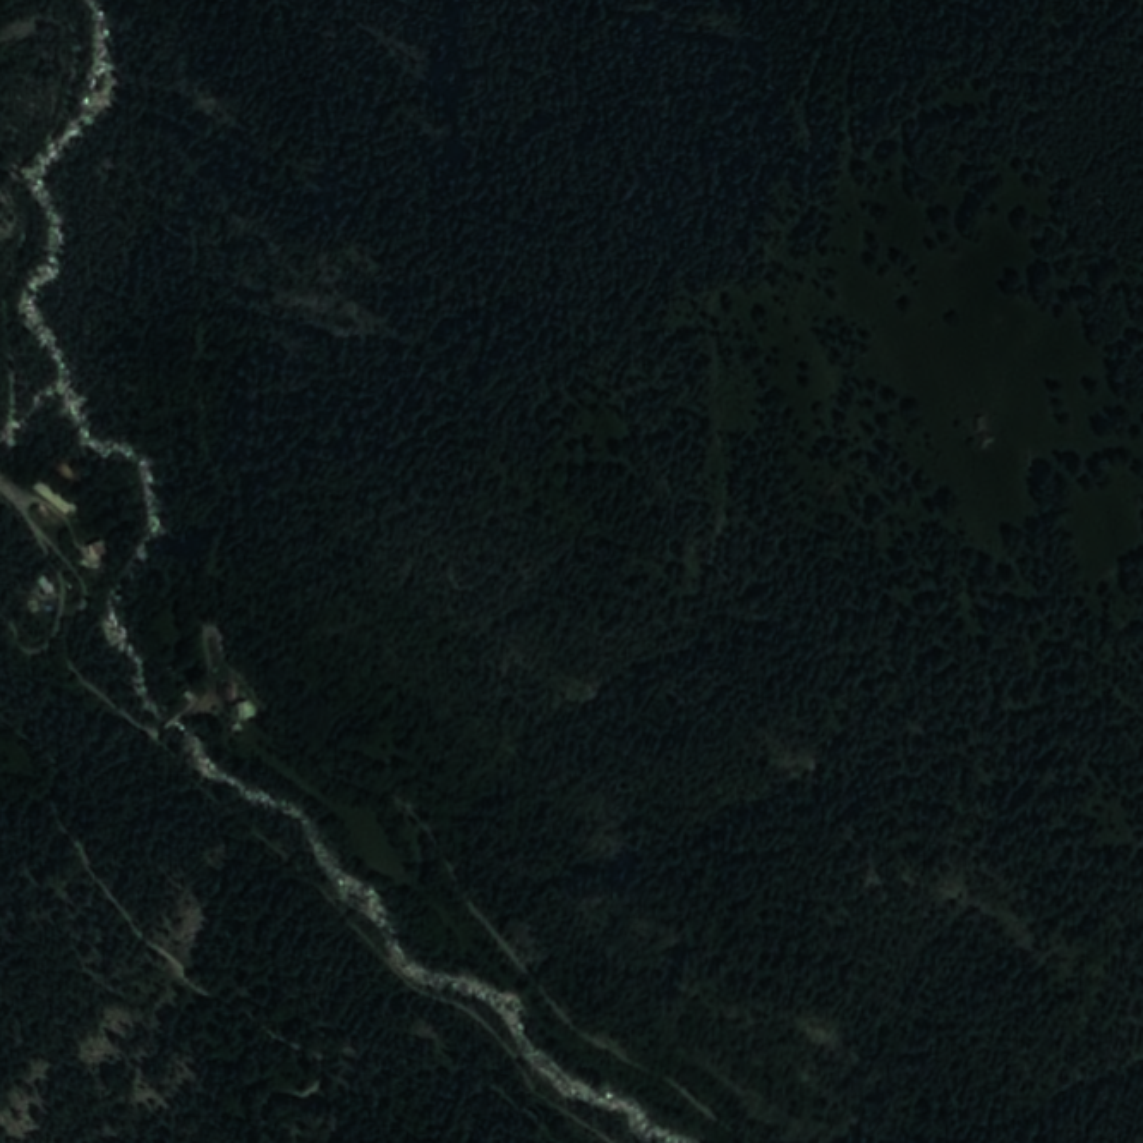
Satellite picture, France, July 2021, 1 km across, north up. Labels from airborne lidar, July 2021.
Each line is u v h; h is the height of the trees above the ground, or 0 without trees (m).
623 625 13
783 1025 9
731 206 28
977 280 0
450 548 13
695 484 13
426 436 19
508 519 14
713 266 26
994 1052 12
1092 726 26
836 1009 12
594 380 16
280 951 28
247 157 22
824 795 26
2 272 12
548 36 28
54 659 13
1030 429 0
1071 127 23
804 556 13
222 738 6
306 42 24
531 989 12
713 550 9
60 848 20
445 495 17
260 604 12
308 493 7
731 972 6
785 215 25
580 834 13
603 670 8
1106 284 24
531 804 10
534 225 18
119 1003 18
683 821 11
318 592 7
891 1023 8
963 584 8
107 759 29
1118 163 24
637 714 15
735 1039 11
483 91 26
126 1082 19
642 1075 10
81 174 16
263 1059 13
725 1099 10
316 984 22
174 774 9
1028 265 0
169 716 10
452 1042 16
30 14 12
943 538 15
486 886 22
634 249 25
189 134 15
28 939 22
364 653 13
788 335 0
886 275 11
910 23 16
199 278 12
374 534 6
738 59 18
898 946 14
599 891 8
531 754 11
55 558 8
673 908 9
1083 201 21
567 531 8
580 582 11
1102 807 8
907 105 20
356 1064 20
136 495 8
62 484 14
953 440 0
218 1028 20
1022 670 18
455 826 13
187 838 27
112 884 13
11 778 14
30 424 13
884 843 23
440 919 12
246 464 18
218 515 10
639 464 19
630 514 18
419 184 27
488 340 28
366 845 0
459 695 12
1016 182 0
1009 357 0
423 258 23
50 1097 15
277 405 15
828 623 19
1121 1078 13
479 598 12
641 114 28
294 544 11
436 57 6
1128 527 0
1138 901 12
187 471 18
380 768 19
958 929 11
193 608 11
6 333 13
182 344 18
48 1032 22
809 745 16
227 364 8
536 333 30
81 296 17
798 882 18
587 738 16
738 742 13
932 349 0
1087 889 21
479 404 11
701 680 11
